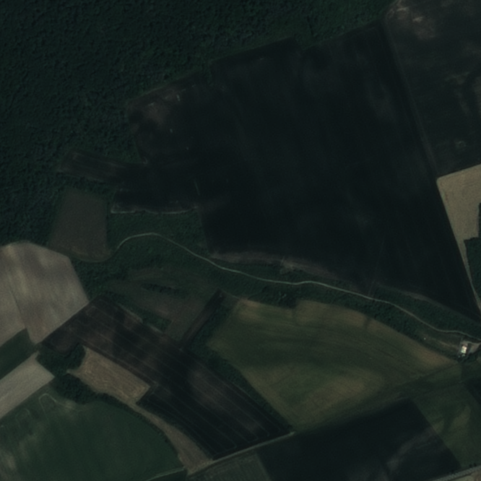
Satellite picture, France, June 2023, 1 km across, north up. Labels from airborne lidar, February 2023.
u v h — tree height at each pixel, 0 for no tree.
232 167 0
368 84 0
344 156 0
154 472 0
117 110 19
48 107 23
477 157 0
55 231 0
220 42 21
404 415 0
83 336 0
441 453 0
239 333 0
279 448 0
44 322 0
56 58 21
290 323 0
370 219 0
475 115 0
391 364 0
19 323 0
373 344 0
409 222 0
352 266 0
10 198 20
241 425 0
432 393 0
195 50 26
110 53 18
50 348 0
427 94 0
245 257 0
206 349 6
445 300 0
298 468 0
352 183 0
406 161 0
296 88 0
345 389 0
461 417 0
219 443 0
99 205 0
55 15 23
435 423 0
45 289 0
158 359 0
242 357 0
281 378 0
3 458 0
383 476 0
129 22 17
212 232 0
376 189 0
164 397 0
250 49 0
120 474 0
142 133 0
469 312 0
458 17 0
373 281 0
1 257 0
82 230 0
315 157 0
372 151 0
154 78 20
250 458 0
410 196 0
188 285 0
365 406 0
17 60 19
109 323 0
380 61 0
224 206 0
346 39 0
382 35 0
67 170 0
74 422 0
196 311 0
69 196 0
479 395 0
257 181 0
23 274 0
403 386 0
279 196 0
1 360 0
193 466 0
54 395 0
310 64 0
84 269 6
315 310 0
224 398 0
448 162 0
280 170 0
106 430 0
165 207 0
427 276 0
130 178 0
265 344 0
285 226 0
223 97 0
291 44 0
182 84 0
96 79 24
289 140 0
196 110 0
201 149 0
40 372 0
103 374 0
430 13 0
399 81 0
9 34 24
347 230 0
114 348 0
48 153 21
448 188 0
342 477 0
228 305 0
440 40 0
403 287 0
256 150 0
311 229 0
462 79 0
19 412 0
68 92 21
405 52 0
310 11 17
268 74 0
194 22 21
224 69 0
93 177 0
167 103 0
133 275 0
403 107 0
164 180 0
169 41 22
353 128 0
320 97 0
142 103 0
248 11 24
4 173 19
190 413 0
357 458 0
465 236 0
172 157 0
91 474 0
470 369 0
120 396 0
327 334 0
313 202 0
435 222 0
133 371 0
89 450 0
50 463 0
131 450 0
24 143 22
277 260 0
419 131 0
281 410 0
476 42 0
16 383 0
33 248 0
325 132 0
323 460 0
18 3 24
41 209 15
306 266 0
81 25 25
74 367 11
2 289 0
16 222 15
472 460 0
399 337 0
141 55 16
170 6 18
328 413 0
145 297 0
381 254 0
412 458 0
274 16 20
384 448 0
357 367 0
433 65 0
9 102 14
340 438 0
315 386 0
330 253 0
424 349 0
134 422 0
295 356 0
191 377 0
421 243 0
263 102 0
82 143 10
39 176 19
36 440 0
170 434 0
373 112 0
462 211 0
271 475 0
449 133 0
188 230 8
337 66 0
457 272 0
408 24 0
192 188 0
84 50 23
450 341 0
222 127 0
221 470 0
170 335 0
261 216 0
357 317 0
